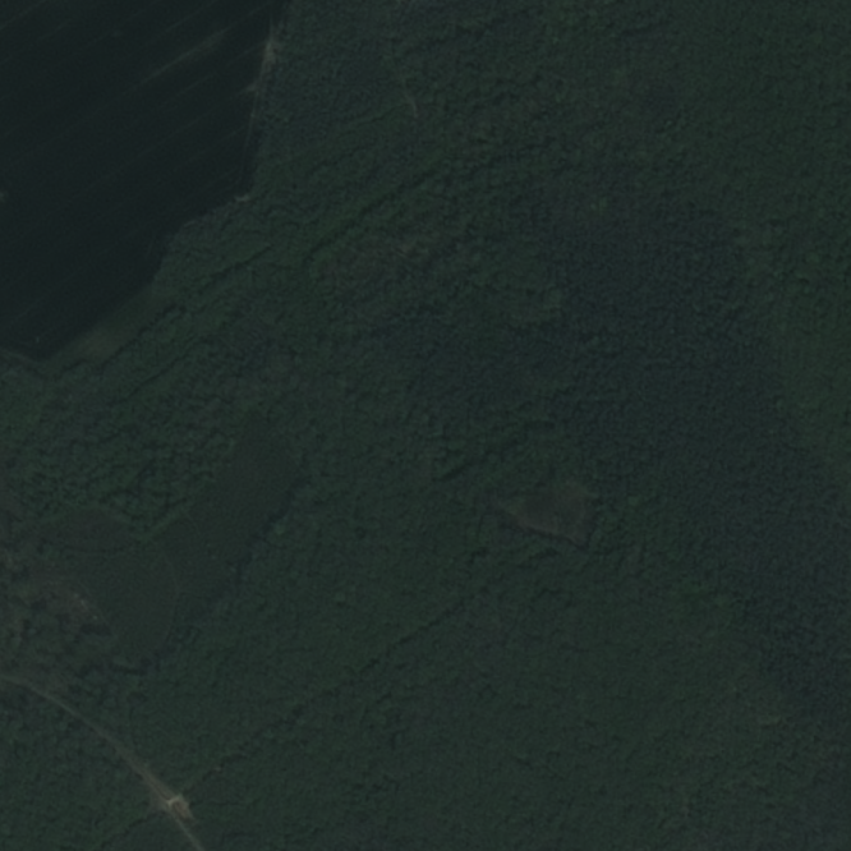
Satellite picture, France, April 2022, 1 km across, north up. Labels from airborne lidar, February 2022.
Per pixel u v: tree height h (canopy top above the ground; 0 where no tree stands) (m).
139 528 19
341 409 28
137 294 0
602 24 21
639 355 22
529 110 26
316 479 23
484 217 13
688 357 26
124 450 23
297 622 24
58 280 0
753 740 26
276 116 13
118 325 0
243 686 27
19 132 0
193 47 0
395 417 28
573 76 23
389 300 22
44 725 28
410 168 21
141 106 0
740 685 24
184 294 16
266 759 26
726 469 24
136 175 0
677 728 26
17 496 27
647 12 21
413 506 28
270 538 21
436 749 26
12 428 20
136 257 0
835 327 28
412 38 21
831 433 23
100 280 0
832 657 20
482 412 24
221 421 26
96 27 0
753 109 22
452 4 21
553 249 26
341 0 24
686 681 23
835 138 23
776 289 21
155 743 23
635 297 23
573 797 25
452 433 29
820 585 22
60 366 0
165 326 13
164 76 0
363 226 12
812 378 23
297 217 24
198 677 24
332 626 26
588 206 28
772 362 22
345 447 25
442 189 23
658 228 25
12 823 26
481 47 24
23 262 0
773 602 28
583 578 22
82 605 0
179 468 24
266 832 24
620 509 25
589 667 27
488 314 9
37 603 0
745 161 24
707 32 22
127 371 21
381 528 26
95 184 0
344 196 17
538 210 25
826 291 22
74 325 0
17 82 0
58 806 27
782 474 26
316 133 21
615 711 24
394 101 14
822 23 23
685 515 24
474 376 21
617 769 27
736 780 19
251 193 7
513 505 28
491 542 26
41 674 24
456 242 11
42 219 0
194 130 0
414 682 25
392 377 27
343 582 24
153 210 0
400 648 21
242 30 0
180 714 24
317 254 16
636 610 28
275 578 21
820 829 24
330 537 26
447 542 27
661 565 26
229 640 26
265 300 28
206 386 21
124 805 23
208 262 25
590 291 19
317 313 6
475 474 25
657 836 22
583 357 26
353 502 27
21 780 26
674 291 23
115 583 7
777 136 23
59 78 0
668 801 26
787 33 24
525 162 24
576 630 27
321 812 26
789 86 25
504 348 12
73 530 0
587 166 27
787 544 24
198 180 0
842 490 23
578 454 20
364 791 22
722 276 23
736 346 25
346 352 24
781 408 18
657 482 20
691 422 22
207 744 24
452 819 22
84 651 26
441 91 25
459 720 24
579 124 25
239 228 25
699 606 23
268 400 22
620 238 23
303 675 27
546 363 25
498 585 23
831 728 26
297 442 27
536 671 28
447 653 27
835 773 7
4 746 26
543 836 25
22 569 26
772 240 27
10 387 26
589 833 20
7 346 0
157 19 0
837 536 22
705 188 23
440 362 27
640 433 21
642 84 23
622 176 27
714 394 23
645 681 25
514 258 23
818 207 27
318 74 20
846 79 22
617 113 28
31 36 0
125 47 0
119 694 25
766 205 29
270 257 23
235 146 0
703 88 22
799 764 24
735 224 26
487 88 22
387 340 29
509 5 20
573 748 25
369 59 22
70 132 0
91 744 24
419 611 21
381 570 27
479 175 24
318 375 24
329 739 25
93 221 0
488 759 22
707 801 24
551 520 0
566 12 27
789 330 26
